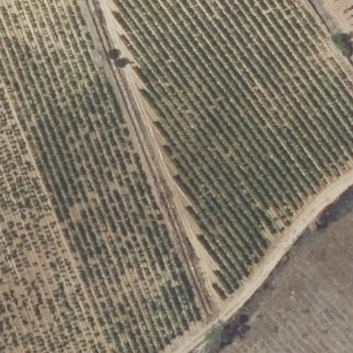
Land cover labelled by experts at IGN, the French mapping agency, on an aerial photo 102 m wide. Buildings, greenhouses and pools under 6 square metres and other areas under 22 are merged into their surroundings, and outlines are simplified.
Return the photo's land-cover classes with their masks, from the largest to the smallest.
<instances>
[{"label":"vineyard","instance_id":"1","mask_svg":"<svg viewBox=\"0 0 353 353\"><path fill-rule=\"evenodd\" d=\"M296 0H0V353H161L165 346L189 330V325L193 321L208 324L214 317L219 316L218 307L205 290L203 272L200 270L199 258L190 243V234H196L211 258L218 263L219 268L215 270V276L218 279L212 287L222 299H226L234 291L239 290L241 280L254 272L252 265L263 261V256L268 254V248L274 250L277 244L281 243L284 230L291 226L292 215L299 208H303V201L307 196L319 194L325 186L338 181L339 176L353 170V98L330 66L325 63L316 46L307 39L303 29L309 30L317 43L321 41L317 34L325 37V34L316 21L302 18L301 12L296 8Z\"/></svg>","mask_w":353,"mask_h":353},{"label":"agricultural land","instance_id":"2","mask_svg":"<svg viewBox=\"0 0 353 353\"><path fill-rule=\"evenodd\" d=\"M306 228L310 230V237L303 241L301 254L291 258L287 268L273 280V291L266 292L258 309L248 320L250 331L245 334L244 339H234L232 345L226 346L221 353H353V210L341 216L338 221L330 223L324 230H317L314 222L309 223Z\"/></svg>","mask_w":353,"mask_h":353},{"label":"pervious surface","instance_id":"3","mask_svg":"<svg viewBox=\"0 0 353 353\"><path fill-rule=\"evenodd\" d=\"M353 185V170L339 176L338 181L325 186L319 194L307 196L303 201V208H299L292 215L291 226L284 230L281 243L277 244L274 250L268 248V254L263 256V261L252 265L254 272L241 280L239 290L234 291L226 299H222L212 287L218 279L215 276V270L219 268L218 263L211 258L196 234H190V243L199 258L200 270L203 272L205 290L218 307L219 316L214 317L208 324L193 321L189 325V330L165 346L161 353H204L207 343L204 338L207 332L225 324L230 317L239 312L240 307L254 294L256 288L261 287L281 256L306 228L309 223L314 222L327 205L334 203L349 186Z\"/></svg>","mask_w":353,"mask_h":353},{"label":"brushwood","instance_id":"4","mask_svg":"<svg viewBox=\"0 0 353 353\"><path fill-rule=\"evenodd\" d=\"M353 210V185L349 186L334 203L327 205L314 222L317 230H324L330 223L338 221L341 216ZM310 237V230L306 228L281 256L261 287L256 288L254 294L240 307L239 312L230 317L225 324L207 332L204 338L207 343L204 353H221L226 346L232 345L234 339H244L245 334L250 331L248 320L258 309L266 292L273 291V280L287 268L291 258L301 254L303 241Z\"/></svg>","mask_w":353,"mask_h":353},{"label":"coniferous trees","instance_id":"5","mask_svg":"<svg viewBox=\"0 0 353 353\"><path fill-rule=\"evenodd\" d=\"M296 8L301 12L302 18L316 21L325 34V37L317 34L321 41L317 43L309 30L303 29L307 39L316 46L325 63L330 66L353 98V55L346 58L335 46L332 37L338 33H353V0H296Z\"/></svg>","mask_w":353,"mask_h":353},{"label":"deciduous trees","instance_id":"6","mask_svg":"<svg viewBox=\"0 0 353 353\"><path fill-rule=\"evenodd\" d=\"M335 46L346 58L353 55V33H338L332 37Z\"/></svg>","mask_w":353,"mask_h":353}]
</instances>
